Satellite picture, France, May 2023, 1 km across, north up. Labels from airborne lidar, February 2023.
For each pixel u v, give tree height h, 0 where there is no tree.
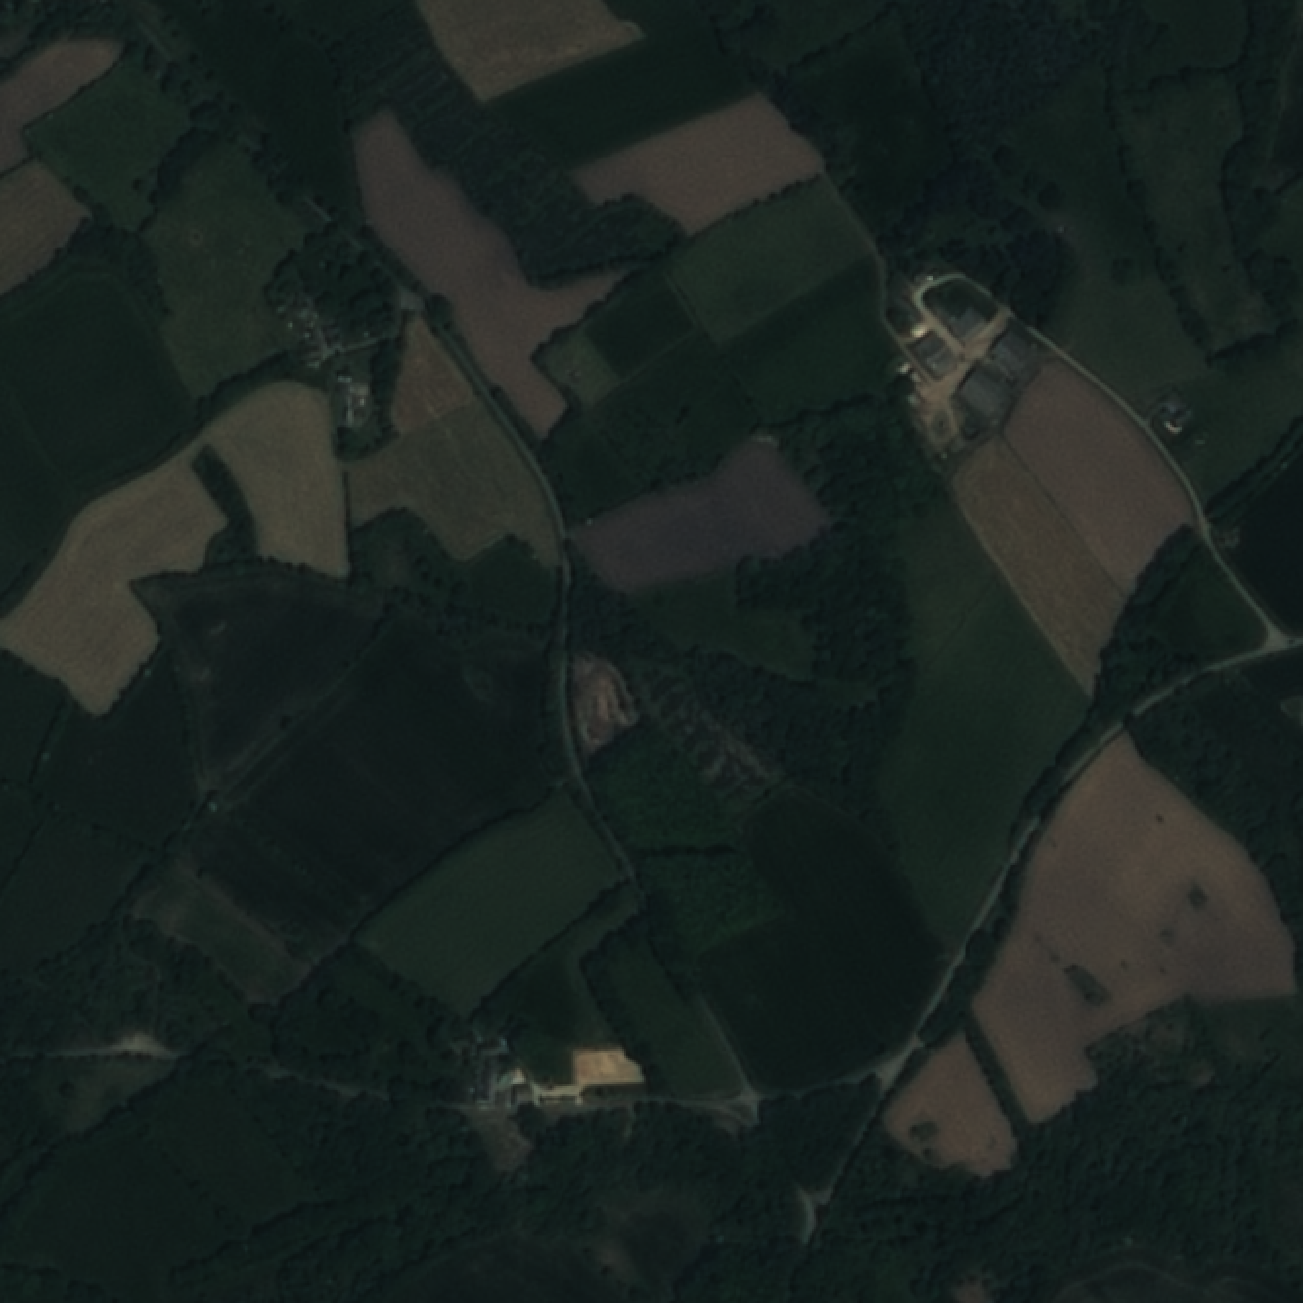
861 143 0
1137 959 0
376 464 0
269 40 0
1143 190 10
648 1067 6
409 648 0
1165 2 0
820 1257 16
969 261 25
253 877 0
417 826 0
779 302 0
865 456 16
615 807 18
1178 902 0
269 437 0
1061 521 0
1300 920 17
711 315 0
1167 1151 10
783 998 0
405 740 0
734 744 0
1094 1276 0
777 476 0
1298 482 0
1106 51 6
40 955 0
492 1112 0
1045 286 18
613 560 0
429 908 0
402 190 0
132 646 0
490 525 0
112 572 0
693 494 0
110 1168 0
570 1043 0
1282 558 0
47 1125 13
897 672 14
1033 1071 0
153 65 8
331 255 7
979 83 20
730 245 0
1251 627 0
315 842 0
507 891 0
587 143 0
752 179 0
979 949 12
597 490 0
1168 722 10
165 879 10
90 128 0
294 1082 11
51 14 9
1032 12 14
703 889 21
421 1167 13
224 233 0
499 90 0
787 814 0
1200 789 17
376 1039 14
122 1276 0
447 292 0
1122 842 0
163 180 13
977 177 27
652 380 0
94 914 0
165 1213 0
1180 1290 0
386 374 15
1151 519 0
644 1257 0
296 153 0
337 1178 15
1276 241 0
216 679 0
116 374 0
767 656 0
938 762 0
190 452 0
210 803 7
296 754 0
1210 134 0
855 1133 11
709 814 19
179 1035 6
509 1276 0
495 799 0
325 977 15
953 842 0
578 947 0
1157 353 0
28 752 0
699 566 0
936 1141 0
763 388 0
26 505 0
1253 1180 13
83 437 0
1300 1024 0
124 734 0
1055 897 0
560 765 6
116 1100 0
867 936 0
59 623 0
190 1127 0
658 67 0
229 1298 0
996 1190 20
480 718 0
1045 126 0
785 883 0
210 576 8
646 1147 9
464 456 0
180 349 0
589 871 0
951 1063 0
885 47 0
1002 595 0
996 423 0
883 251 6
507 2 0
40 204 0
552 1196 12
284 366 8
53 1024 8
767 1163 17
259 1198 0
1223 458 0
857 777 16
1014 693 0
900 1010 0
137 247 12
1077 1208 9
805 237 0
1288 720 0
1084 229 0
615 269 9
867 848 0
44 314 0
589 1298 0
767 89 11
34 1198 10
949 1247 15
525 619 0
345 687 0
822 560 15
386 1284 16
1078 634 0
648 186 0
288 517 0
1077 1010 0
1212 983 0
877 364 0
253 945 0
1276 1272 6
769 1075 0
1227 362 16
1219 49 0
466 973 0
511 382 0
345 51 7
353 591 9
